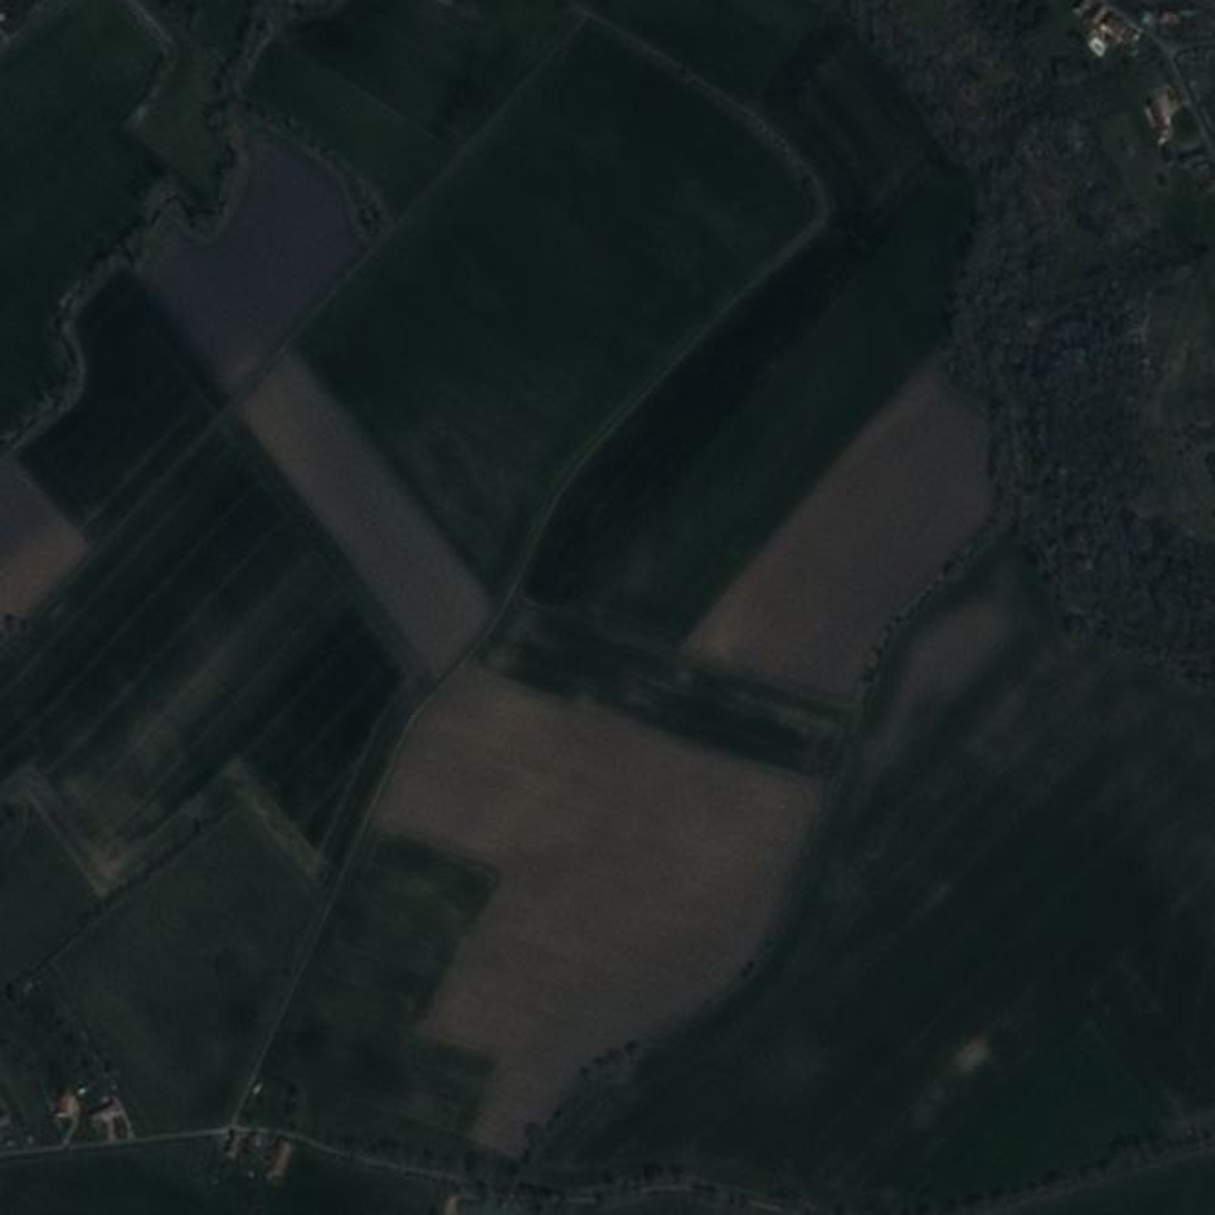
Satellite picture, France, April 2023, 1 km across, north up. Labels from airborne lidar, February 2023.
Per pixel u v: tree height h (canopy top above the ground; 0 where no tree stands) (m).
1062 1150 0
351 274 0
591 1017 0
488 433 0
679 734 0
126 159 0
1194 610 21
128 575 0
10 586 0
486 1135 0
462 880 0
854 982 0
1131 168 0
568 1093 0
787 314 0
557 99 0
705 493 0
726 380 0
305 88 0
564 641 0
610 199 0
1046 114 8
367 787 0
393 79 0
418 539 0
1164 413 0
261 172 0
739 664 0
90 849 0
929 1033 0
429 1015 0
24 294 0
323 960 0
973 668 0
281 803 0
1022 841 0
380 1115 0
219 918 0
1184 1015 0
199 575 0
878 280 0
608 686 0
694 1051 0
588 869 0
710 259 0
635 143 0
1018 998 0
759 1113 0
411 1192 0
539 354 0
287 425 0
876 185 0
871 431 0
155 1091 0
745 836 0
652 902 0
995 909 0
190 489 0
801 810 0
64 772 0
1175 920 0
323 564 0
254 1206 0
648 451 0
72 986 0
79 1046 6
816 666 0
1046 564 21
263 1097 8
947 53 6
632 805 0
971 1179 0
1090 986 0
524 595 0
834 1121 0
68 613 0
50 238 0
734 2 0
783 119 0
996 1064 0
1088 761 0
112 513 0
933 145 0
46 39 0
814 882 0
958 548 0
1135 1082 0
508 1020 0
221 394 0
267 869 0
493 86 0
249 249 0
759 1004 0
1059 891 0
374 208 9
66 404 21
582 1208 0
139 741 0
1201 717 0
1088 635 21
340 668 0
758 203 0
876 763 0
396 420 0
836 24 0
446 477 0
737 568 0
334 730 0
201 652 0
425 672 0
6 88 0
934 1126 0
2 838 17
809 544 0
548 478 0
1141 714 0
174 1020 0
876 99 0
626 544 0
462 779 0
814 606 0
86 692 0
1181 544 10
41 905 0
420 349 0
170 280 0
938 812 0
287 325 0
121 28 0
